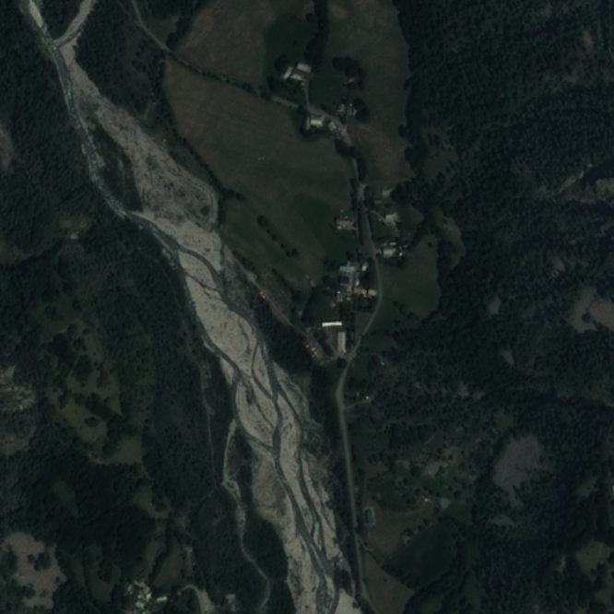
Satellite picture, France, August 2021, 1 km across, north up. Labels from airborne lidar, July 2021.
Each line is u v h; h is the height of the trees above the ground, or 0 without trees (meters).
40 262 24
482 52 18
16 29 9
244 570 10
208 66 0
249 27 0
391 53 0
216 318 0
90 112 0
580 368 7
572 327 7
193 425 6
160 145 0
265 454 0
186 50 0
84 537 18
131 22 0
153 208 0
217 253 0
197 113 0
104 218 30
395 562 0
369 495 0
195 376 11
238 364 0
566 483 9
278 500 0
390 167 0
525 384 7
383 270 0
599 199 7
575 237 9
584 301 0
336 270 7
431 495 8
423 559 0
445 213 8
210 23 0
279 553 8
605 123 11
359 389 8
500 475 0
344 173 0
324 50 18
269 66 0
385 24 0
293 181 0
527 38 10
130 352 8
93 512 22
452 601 22
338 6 0
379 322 0
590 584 20
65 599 15
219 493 8
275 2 0
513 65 11
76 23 0
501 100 7
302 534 0
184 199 0
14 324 16
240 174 0
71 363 13
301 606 0
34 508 27
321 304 0
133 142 0
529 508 7
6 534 14
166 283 8
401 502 0
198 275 0
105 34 17
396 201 15
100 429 0
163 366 7
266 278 0
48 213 21
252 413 0
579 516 17
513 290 7
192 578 8
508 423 0
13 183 17
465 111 19
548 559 12
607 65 9
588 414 9
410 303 0
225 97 0
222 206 14
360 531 18
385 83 0
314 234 0
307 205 0
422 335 6
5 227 13
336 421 8
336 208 0
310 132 7
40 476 21
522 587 9
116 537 16
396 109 0
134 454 0
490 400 15
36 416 7
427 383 7
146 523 19
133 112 0
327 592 0
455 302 17
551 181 13
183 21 16
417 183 15
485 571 10
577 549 15
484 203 25
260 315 11
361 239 7
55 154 24
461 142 11
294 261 0
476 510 10
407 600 0
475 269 20
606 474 12
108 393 0
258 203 0
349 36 0
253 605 6
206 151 0
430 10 23
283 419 0
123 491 16
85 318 6
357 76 13
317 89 0
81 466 23
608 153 21
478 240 15
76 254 8
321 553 0
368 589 0
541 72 7
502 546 15
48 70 9
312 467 0
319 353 0
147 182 0
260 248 0
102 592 0
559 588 14
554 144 13
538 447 0
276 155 0
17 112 12
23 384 11
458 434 0
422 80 12
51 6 17
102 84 11
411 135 21
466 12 11
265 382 0
